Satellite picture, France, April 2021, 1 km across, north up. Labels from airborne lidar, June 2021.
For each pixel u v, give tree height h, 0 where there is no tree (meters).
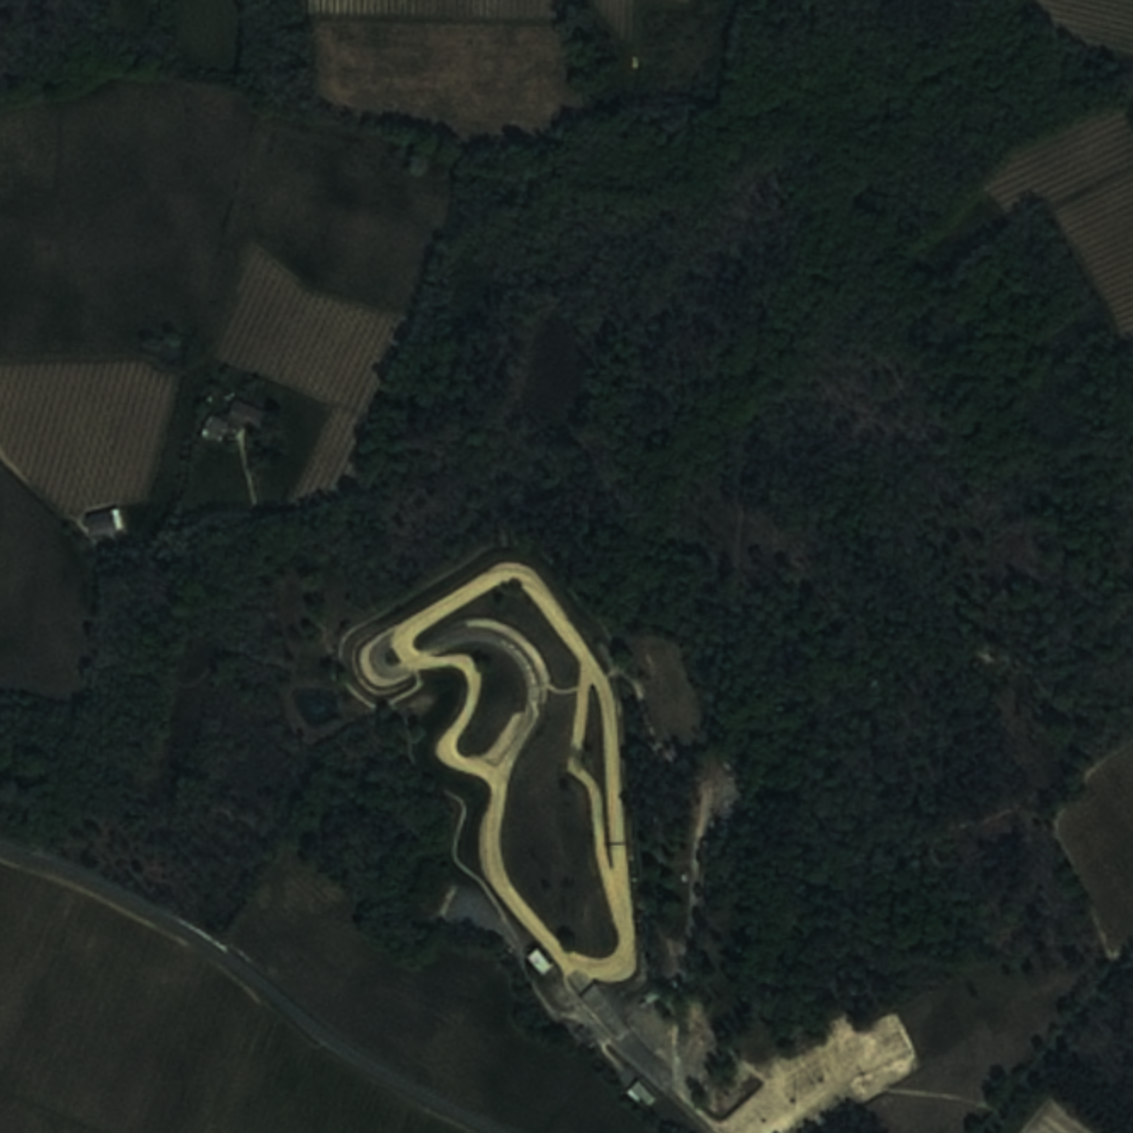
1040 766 0
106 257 0
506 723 0
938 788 9
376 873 22
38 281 0
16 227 0
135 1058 0
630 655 14
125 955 0
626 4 0
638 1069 0
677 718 0
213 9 0
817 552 16
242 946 0
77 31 17
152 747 20
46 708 7
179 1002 0
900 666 20
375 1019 0
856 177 26
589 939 0
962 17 26
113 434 0
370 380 0
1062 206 0
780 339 22
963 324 17
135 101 0
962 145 21
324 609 16
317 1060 0
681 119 22
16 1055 0
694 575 25
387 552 19
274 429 12
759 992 25
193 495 0
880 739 23
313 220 0
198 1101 0
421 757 0
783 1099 0
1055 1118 0
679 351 14
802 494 18
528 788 0
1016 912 14
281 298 0
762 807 23
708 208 21
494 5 0
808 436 22
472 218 16
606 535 23
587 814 0
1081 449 21
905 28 23
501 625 0
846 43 24
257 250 0
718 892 16
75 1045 0
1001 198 0
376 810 22
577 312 14
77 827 7
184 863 14
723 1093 0
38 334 0
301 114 17
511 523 23
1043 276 19
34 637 0
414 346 21
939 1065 0
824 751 21
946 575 16
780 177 13
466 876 0
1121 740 15
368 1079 0
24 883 0
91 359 0
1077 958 20
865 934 20
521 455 12
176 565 19
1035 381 22
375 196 0
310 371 0
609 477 23
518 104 0
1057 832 14
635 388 22
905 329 19
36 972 0
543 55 0
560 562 23
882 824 17
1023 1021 0
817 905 24
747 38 18
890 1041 0
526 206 18
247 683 7
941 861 11
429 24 0
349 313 0
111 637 17
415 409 13
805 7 19
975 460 18
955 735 21
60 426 0
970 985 0
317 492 0
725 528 0
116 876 12
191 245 0
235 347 0
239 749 9
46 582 0
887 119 25
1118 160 0
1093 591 12
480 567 0
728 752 26
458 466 9
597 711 0
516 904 0
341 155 0
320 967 0
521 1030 13
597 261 11
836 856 22
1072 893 18
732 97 23
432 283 16
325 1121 0
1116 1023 15
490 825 0
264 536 18
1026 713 16
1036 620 14
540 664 0
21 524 0
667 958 0
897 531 18
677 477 24
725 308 21
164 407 0
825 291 21
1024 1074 8
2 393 0
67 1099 0
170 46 17
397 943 19
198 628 14
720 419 24
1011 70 30
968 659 21
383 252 0
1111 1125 17
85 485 0
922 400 17
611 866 0
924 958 22
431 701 0
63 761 14
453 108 0
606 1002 0
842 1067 0
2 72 10
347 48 0
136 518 0
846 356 14
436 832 21
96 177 0
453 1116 0
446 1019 0
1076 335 18
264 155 0
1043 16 20
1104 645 12
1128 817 0
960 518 19
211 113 0
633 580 24
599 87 19
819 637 15
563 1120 0
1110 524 21
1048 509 18
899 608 18
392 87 0
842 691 18
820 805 20
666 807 26
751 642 19
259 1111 0
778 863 19
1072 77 16
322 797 22
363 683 0
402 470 16
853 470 20
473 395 22
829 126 23
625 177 16
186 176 0
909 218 23
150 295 0
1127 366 20
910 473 20
